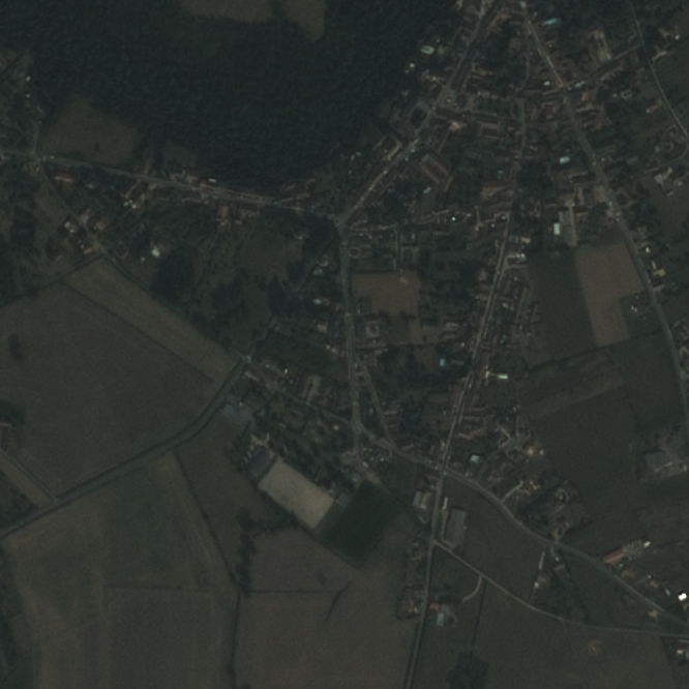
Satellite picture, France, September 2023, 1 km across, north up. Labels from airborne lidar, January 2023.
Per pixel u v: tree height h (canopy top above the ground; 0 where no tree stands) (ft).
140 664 0
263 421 24
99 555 0
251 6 0
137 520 0
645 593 0
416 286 0
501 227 0
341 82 99
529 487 0
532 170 57
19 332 0
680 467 0
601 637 0
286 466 0
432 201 0
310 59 61
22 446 0
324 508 0
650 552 0
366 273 0
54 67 94
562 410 0
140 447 0
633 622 0
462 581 0
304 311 25
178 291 51
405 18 46
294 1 0
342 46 76
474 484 0
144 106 54
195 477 0
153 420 0
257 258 0
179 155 0
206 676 0
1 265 31
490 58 34
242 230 0
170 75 79
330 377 0
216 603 0
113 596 0
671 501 0
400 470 0
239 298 42
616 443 0
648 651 0
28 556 0
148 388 0
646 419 0
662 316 0
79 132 0
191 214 40
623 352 0
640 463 0
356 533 0
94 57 83
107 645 0
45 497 0
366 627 0
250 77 54
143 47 72
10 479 0
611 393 0
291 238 39
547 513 0
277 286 33
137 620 0
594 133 29
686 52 0
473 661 21
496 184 0
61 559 0
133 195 23
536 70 0
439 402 0
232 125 116
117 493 0
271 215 57
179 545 0
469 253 0
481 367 0
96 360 0
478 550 0
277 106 84
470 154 0
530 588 0
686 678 0
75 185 20
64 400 0
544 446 0
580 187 0
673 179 0
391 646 0
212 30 47
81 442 0
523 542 0
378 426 24
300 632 0
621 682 0
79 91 34
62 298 0
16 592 0
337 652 0
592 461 0
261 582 0
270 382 0
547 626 0
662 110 0
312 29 0
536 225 36
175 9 31
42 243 0
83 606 0
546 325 0
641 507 0
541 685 0
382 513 0
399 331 0
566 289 0
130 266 0
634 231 0
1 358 0
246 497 0
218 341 36
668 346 0
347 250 0
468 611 0
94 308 0
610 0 47
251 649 0
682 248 0
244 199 0
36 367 0
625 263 0
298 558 0
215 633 0
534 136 0
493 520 0
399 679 0
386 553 0
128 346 0
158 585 0
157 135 38
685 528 0
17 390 0
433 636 0
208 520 31
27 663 0
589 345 0
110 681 0
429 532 32
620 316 0
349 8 83
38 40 70
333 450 39
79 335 0
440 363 0
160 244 0
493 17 0
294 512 0
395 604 0
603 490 0
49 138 0
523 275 0
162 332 0
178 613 0
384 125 44
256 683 0
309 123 75
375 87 53
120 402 0
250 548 61
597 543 0
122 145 0
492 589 0
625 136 22
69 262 0
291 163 27
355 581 0
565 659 0
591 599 0
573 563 0
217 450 0
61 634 0
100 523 0
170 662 0
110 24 35
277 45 49
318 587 0
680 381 0
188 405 0
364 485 0
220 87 52
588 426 0
